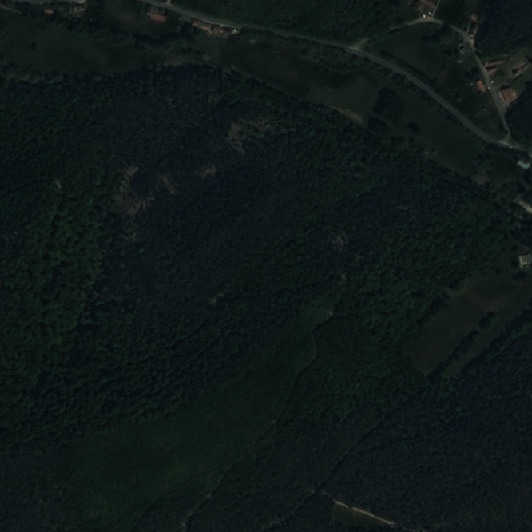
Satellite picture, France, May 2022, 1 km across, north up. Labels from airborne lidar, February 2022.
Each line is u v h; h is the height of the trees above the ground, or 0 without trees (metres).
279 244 28
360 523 0
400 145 22
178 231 28
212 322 24
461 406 30
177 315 25
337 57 18
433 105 18
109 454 0
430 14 0
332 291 16
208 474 0
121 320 29
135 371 29
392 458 24
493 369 27
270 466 18
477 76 8
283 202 20
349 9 7
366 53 0
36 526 21
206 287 24
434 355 0
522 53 0
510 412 27
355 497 20
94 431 15
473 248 30
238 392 19
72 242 33
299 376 17
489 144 8
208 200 28
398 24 16
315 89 0
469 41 0
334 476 22
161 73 9
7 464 16
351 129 10
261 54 0
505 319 0
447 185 24
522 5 25
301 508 20
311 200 26
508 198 0
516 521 28
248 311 20
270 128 0
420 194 29
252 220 24
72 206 27
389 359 22
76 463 0
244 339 26
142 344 27
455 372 0
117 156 23
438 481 24
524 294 0
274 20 12
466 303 0
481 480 30
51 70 0
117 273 29
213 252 23
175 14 0
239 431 0
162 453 0
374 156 26
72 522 18
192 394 19
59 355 34
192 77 24
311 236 28
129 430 0
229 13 10
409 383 22
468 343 24
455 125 17
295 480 19
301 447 20
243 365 22
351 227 25
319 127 24
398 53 0
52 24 10
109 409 31
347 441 21
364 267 26
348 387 26
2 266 23
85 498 0
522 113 20
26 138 22
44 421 36
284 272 0
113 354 31
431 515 27
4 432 33
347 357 18
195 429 0
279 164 27
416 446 23
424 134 0
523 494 22
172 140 32
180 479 0
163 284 27
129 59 0
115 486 0
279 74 0
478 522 23
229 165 20
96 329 36
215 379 19
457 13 0
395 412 29
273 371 14
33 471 18
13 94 27
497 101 0
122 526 0
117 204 0
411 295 31
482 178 0
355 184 24
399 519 23
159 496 0
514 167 0
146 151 33
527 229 22
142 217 23
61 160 27
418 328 24
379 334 24
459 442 24
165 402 25
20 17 0
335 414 26
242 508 18
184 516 21
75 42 0
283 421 0
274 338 20
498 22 26
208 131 28
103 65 0
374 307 30
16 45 0
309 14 13
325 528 20
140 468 0
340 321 16
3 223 22
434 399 26
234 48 0
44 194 21
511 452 23
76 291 36
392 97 26
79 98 26
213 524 16
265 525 21
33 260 32
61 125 29
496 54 16
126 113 24
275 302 23
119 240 24
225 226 23
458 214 28
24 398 39
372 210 30
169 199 18
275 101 26
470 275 6
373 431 18
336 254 30
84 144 28
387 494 29
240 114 24
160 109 28
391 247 24
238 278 25
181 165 25
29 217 25
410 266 30
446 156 0
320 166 24
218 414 0
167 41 24
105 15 0
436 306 26
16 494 20
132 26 0
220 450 0
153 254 28
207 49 0
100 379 35
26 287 32
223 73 13
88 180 25
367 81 0
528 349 26
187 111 32
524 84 0
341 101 0
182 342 23
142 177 28
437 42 20
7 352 34
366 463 23
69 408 33
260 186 27
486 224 23
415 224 26
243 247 25
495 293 0
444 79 0
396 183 31
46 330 34
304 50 17
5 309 25
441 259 31
